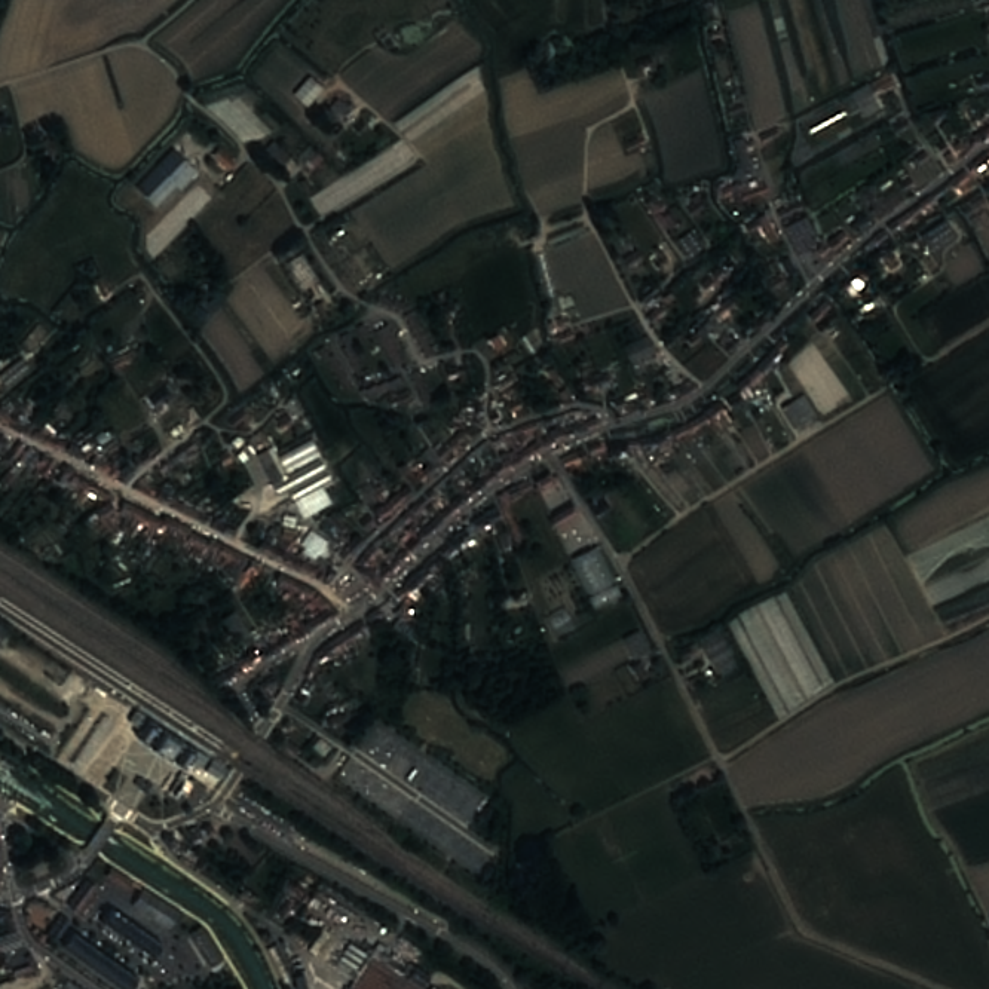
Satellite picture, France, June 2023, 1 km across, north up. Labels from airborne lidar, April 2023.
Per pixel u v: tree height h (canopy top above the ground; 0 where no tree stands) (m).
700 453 0
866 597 0
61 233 0
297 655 0
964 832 0
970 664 0
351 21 0
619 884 0
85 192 0
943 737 0
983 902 0
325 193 0
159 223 0
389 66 0
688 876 0
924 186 0
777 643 0
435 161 0
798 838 0
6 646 0
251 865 6
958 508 0
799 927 0
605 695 0
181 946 0
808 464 0
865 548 0
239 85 0
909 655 0
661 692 0
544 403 13
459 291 0
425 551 0
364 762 0
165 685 0
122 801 0
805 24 0
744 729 0
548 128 0
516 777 0
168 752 0
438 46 0
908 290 6
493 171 0
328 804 0
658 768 0
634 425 0
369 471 0
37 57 0
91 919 0
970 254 0
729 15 0
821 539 0
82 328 13
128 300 0
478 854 0
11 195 0
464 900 0
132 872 0
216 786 0
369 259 0
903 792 0
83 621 0
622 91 0
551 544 0
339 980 0
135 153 0
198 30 0
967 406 0
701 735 0
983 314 0
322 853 0
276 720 0
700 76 0
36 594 0
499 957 0
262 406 0
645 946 0
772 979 0
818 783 0
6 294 0
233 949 0
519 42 0
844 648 0
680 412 0
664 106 0
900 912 0
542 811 0
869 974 0
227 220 0
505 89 0
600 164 0
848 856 0
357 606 0
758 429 0
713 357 0
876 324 8
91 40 0
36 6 0
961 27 0
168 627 18
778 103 0
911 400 10
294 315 0
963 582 0
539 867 35
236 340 0
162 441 0
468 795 0
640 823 0
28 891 0
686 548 0
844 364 0
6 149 0
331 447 0
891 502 0
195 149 0
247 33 0
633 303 0
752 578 0
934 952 0
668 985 0
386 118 0
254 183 0
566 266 0
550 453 0
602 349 0
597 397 0
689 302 0
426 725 0
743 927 0
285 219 0
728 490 0
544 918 8
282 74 0
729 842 0
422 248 0
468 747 0
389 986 0
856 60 0
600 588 0
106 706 0
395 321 0
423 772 0
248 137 0
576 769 0
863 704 0
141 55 0
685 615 0
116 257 0
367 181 0
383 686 6
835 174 0
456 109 0
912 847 0
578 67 13
